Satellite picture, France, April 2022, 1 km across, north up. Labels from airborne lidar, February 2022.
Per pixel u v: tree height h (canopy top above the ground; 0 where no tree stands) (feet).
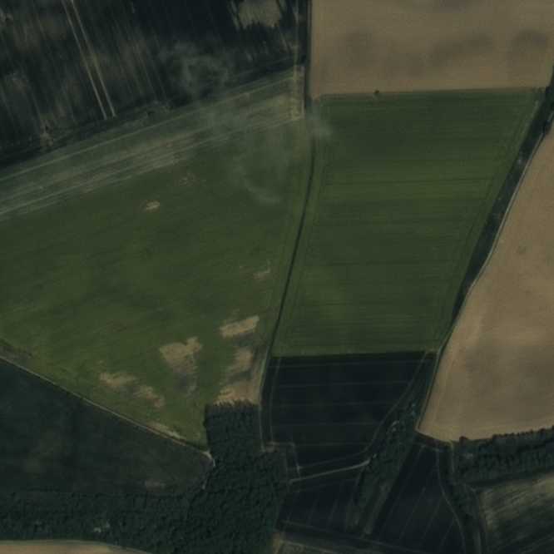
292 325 0
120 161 0
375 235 0
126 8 0
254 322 0
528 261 0
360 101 0
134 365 0
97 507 24
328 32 0
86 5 0
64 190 0
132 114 0
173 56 0
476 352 0
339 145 0
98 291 0
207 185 0
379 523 0
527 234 0
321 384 0
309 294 0
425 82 0
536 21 0
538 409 0
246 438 74
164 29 0
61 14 0
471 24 0
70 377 0
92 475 0
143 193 0
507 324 0
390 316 0
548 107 0
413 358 0
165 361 0
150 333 0
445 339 0
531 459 80
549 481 0
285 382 0
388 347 0
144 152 0
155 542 58
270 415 0
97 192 0
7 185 0
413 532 0
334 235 0
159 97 0
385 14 0
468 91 0
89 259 0
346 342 0
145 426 0
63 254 0
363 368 0
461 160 0
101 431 0
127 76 0
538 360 0
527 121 0
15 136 0
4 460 0
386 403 0
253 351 0
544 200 0
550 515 0
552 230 0
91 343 0
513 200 0
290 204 0
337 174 0
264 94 0
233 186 0
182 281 0
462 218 0
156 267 0
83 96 0
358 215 0
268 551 0
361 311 0
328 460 0
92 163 0
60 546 0
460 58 0
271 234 0
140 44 0
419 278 0
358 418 0
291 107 0
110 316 0
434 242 0
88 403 0
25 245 0
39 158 0
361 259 0
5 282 0
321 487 0
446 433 0
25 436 0
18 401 0
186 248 0
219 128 0
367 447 0
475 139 0
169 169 0
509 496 0
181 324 0
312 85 0
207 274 0
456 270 0
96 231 0
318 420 0
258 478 73
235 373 0
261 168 0
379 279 0
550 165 0
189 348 0
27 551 0
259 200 0
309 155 0
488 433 0
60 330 0
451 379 0
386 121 0
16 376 0
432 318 0
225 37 0
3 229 0
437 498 0
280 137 0
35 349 0
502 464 77
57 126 0
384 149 0
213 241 0
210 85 0
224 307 0
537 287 0
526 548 0
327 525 0
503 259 0
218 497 63
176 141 0
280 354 0
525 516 0
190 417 0
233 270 0
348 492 0
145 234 0
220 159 0
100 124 0
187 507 44
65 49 0
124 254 0
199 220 0
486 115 0
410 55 0
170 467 0
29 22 0
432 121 0
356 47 0
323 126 0
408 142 0
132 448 0
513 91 0
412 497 0
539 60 0
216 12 0
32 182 0
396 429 19
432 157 0
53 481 0
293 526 0
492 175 0
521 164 0
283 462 51
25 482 0
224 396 0
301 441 0
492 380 0
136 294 0
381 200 0
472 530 66
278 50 0
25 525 34
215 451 71
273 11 0
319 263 0
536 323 0
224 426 71
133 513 43
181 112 0
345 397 0
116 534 69
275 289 0
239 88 0
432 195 0
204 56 0
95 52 0
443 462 0
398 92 0
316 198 0
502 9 0
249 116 0
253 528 66
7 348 0
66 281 0
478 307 0
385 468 45
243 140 0
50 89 0
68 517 32
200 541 56
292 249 0
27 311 0
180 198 0
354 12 0
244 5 0
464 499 56
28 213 0
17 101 0
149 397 0
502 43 0
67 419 0
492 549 0
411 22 0
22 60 0
